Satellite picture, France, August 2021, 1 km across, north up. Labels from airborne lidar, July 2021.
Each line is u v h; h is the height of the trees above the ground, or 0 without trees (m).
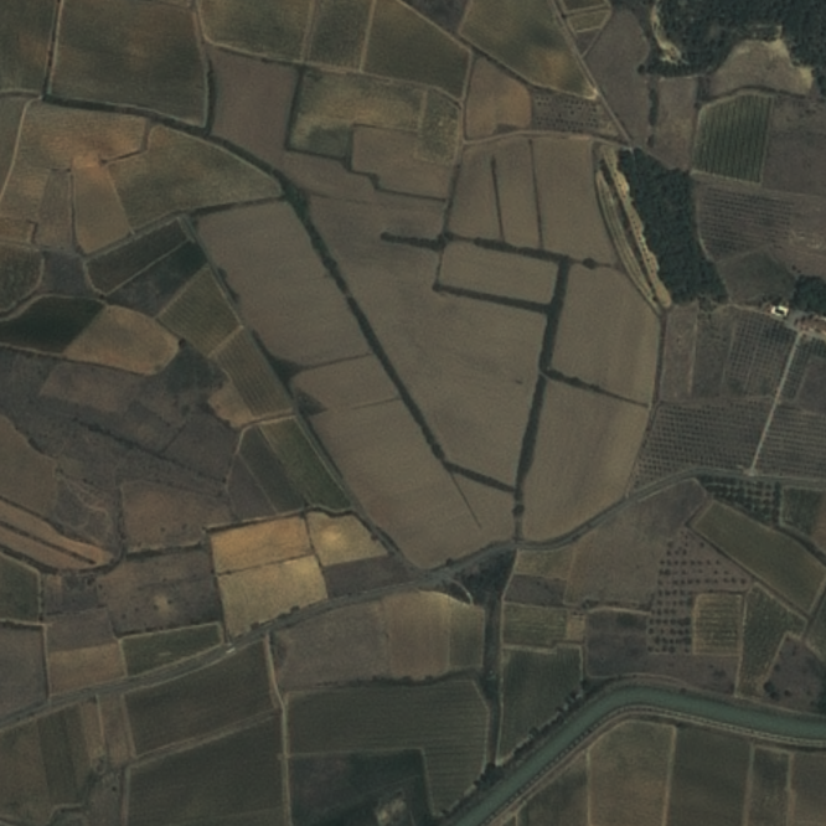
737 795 0
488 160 0
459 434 0
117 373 0
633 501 0
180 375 0
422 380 0
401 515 0
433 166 0
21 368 0
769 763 0
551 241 0
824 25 9
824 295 15
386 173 0
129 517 0
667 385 0
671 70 9
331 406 0
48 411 0
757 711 0
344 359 0
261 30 0
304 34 0
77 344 0
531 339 0
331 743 0
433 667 0
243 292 0
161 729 0
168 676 0
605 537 0
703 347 0
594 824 0
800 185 0
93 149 0
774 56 0
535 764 0
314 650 0
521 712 0
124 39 0
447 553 0
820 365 0
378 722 0
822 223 0
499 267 0
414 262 0
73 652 0
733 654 0
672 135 0
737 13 8
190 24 0
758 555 0
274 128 0
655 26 0
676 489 0
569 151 0
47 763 0
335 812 0
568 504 0
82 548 0
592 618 0
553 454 0
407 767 0
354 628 0
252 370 0
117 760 0
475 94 0
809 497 0
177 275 0
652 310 0
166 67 0
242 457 0
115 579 0
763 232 0
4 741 0
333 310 0
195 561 0
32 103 0
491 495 0
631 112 0
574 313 0
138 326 0
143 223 0
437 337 0
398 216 0
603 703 0
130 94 0
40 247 0
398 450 0
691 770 0
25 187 0
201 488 0
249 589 0
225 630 0
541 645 0
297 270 0
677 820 0
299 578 0
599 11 0
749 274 0
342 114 0
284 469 0
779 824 0
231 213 0
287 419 0
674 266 10
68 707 0
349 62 0
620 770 0
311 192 0
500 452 0
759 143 0
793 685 0
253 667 0
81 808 0
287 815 0
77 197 0
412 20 0
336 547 0
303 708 0
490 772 9
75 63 0
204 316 0
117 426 0
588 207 0
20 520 0
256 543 0
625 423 0
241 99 0
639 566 0
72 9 0
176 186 0
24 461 0
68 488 0
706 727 0
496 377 0
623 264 0
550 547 0
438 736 0
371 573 0
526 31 0
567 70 0
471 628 0
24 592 0
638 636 0
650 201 11
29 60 0
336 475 0
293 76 0
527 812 0
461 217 0
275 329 0
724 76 0
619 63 0
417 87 0
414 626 0
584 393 0
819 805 0
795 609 0
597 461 0
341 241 0
